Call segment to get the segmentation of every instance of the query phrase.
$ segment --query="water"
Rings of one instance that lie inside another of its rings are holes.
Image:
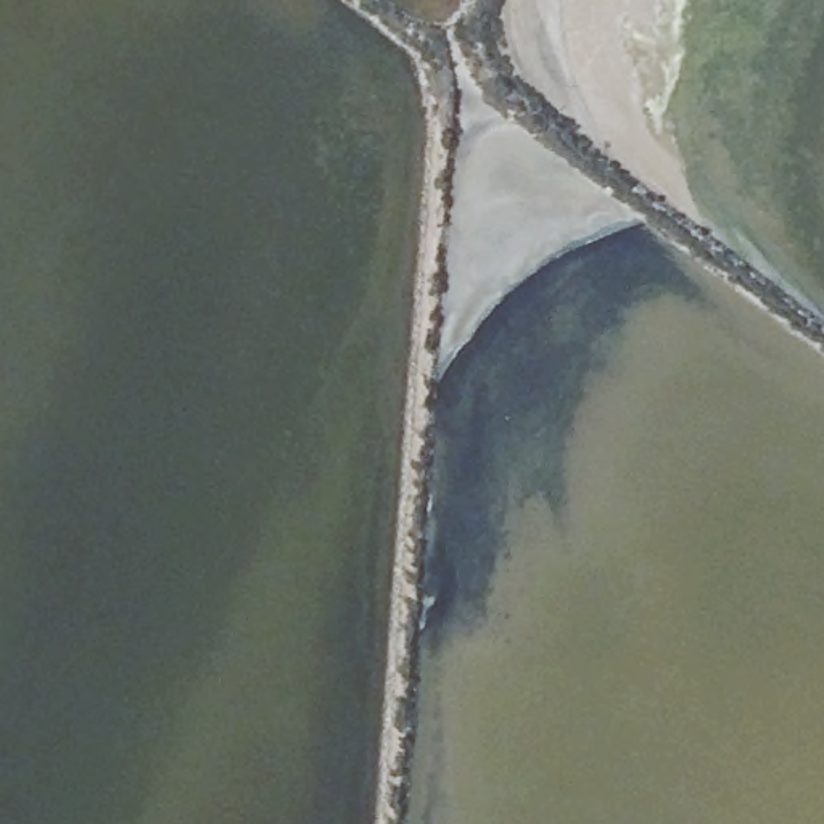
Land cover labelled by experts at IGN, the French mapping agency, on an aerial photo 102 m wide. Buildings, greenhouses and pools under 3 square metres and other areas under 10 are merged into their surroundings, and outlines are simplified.
[[[705,216],[715,216],[721,229],[740,229],[773,267],[789,274],[792,283],[821,306],[814,319],[824,328],[824,0],[689,0],[682,10],[686,55],[679,80],[663,113],[686,167],[689,193]]]
[[[415,68],[402,48],[383,39],[367,19],[348,10],[341,0],[0,0],[0,824],[377,824],[396,512],[415,322],[415,270],[422,241],[422,177],[428,142]]]
[[[492,312],[476,325],[473,338],[451,361],[441,377],[431,377],[412,528],[415,599],[409,608],[402,673],[406,695],[396,715],[396,724],[402,731],[402,750],[399,785],[393,789],[393,824],[824,824],[824,364],[808,348],[782,335],[773,322],[766,322],[753,306],[705,280],[698,270],[705,261],[657,219],[644,216],[641,225],[624,225],[618,232],[563,248],[560,254],[547,258],[534,274],[515,283],[492,306]]]
[[[428,29],[435,23],[444,26],[447,13],[460,0],[364,0],[373,13],[393,16],[396,23],[412,23],[418,29]]]

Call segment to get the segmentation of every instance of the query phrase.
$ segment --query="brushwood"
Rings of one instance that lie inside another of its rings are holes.
[[[431,377],[441,377],[451,361],[441,354],[444,312],[431,309]]]
[[[602,155],[589,135],[579,132],[576,119],[563,116],[538,87],[515,77],[512,58],[502,52],[505,0],[480,0],[476,10],[457,23],[457,39],[473,71],[473,80],[483,87],[486,103],[499,113],[515,109],[518,126],[531,129],[547,148],[570,158],[592,180],[612,187],[621,203],[634,206],[644,216],[657,219],[705,261],[727,270],[731,280],[753,290],[798,332],[824,344],[824,328],[814,319],[801,315],[795,299],[789,299],[773,280],[760,277],[760,270],[747,264],[744,254],[711,238],[705,225],[689,222],[679,209],[670,206],[663,193],[653,193],[628,167],[621,167],[621,161]]]
[[[415,68],[428,61],[435,97],[451,100],[444,126],[444,171],[438,177],[441,241],[438,270],[431,283],[431,293],[447,293],[447,248],[454,222],[454,174],[460,148],[464,90],[447,48],[444,26],[435,23],[428,29],[418,29],[412,23],[396,23],[393,16],[373,13],[364,0],[341,0],[348,10],[367,19],[383,39],[402,48]]]

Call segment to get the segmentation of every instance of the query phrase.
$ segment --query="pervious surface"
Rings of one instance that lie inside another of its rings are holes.
[[[798,332],[753,290],[731,280],[727,270],[705,261],[698,270],[705,280],[753,306],[766,322],[773,322],[782,335],[808,348],[824,364],[824,344]]]
[[[447,248],[447,293],[431,293],[431,283],[438,270],[441,241],[438,177],[444,171],[444,126],[451,100],[435,97],[428,61],[415,68],[428,142],[422,177],[422,241],[415,270],[415,322],[396,512],[377,824],[393,824],[393,789],[399,785],[402,750],[402,731],[396,724],[396,715],[406,695],[402,673],[409,608],[415,599],[412,528],[431,377],[431,309],[444,312],[441,354],[451,361],[473,338],[476,325],[492,312],[492,306],[515,283],[534,274],[547,258],[560,254],[563,248],[618,232],[624,225],[641,225],[644,216],[634,206],[621,203],[612,187],[592,180],[570,158],[547,148],[531,129],[518,126],[515,109],[499,113],[486,103],[483,87],[473,80],[473,71],[457,39],[457,23],[476,10],[480,0],[460,0],[447,13],[444,26],[447,48],[464,90],[460,148],[454,174],[454,222]]]
[[[760,270],[760,277],[773,280],[789,299],[795,299],[801,315],[814,319],[821,306],[792,283],[789,274],[773,267],[740,229],[721,229],[715,216],[705,216],[689,193],[686,167],[663,113],[679,80],[686,55],[682,10],[689,0],[505,0],[502,52],[512,58],[515,77],[538,87],[563,116],[576,119],[579,132],[589,135],[602,155],[621,161],[621,167],[628,167],[653,193],[663,193],[670,206],[679,209],[689,222],[705,225],[711,238],[744,254],[747,264]]]

